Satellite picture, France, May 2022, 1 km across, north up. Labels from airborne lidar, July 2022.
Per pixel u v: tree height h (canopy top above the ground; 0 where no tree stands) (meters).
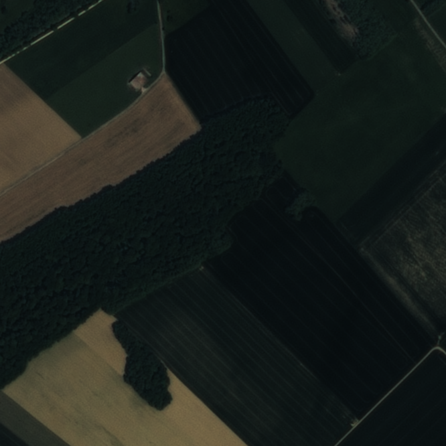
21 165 0
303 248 0
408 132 0
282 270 0
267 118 24
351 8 28
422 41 0
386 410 0
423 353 0
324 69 0
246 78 0
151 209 25
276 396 0
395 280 0
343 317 0
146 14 0
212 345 0
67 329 24
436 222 0
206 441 0
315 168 0
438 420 0
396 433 0
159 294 0
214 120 18
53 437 0
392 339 0
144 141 0
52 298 30
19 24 22
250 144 24
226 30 0
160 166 19
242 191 32
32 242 20
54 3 26
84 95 0
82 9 7
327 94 0
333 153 0
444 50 0
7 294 28
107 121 0
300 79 0
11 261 19
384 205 0
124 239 23
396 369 0
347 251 0
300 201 25
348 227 0
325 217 0
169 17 7
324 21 0
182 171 21
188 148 20
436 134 0
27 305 21
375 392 0
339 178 0
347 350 0
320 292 0
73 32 0
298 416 0
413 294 0
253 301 0
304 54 0
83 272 31
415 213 0
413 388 0
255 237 0
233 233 0
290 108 0
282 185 0
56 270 31
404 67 0
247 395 0
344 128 0
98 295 30
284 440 0
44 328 31
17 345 24
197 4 0
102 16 0
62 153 0
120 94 0
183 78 0
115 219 24
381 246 0
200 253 26
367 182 0
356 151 0
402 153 0
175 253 30
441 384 0
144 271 26
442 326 0
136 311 0
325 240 0
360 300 0
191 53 0
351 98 0
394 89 0
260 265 0
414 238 0
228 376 0
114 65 0
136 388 20
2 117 0
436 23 0
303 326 0
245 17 0
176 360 0
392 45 0
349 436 0
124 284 30
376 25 24
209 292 0
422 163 0
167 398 18
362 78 0
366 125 0
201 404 0
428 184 0
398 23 0
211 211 25
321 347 0
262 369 0
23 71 0
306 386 0
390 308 0
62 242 27
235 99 0
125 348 14
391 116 0
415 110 0
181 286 0
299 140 0
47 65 0
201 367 0
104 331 0
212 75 0
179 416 0
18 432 0
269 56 0
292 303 0
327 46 0
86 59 0
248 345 0
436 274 0
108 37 0
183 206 30
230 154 27
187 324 0
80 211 20
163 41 0
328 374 0
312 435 0
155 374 19
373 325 0
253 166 27
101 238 25
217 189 29
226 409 0
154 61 0
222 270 0
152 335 0
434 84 0
